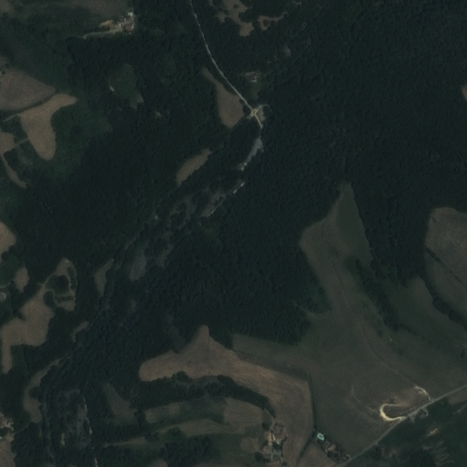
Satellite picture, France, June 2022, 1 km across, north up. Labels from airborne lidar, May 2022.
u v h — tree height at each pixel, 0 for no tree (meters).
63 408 9
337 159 15
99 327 22
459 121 15
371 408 0
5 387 19
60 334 19
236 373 0
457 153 21
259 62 17
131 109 19
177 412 0
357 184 16
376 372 0
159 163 17
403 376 0
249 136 20
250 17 14
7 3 0
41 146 0
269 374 0
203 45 13
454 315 19
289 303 22
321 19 18
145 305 19
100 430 19
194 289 16
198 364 0
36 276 11
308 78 27
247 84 13
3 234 0
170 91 17
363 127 27
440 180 22
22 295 10
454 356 0
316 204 12
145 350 14
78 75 18
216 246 23
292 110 26
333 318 0
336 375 0
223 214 8
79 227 13
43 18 7
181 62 25
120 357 18
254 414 0
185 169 0
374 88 10
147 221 17
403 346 0
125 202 11
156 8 25
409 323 0
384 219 28
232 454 0
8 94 0
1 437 14
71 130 6
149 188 18
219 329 5
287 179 14
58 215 21
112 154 12
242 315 18
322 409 0
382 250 24
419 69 15
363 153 18
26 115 0
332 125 16
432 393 0
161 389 12
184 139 16
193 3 14
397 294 0
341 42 20
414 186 18
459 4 25
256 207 20
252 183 22
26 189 9
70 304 0
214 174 18
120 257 23
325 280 0
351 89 25
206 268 10
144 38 19
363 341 0
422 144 24
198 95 21
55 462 11
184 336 12
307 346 0
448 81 14
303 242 0
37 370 21
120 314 19
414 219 21
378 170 28
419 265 20
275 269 23
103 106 15
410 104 13
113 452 19
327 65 26
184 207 9
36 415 0
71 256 18
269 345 0
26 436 20
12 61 7
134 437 34
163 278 20
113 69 22
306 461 0
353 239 0
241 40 15
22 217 13
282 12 13
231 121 0
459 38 25
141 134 14
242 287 31
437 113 17
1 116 9
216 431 0
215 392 13
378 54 14
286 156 21
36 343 0
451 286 0
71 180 16
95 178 20
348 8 14
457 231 0
